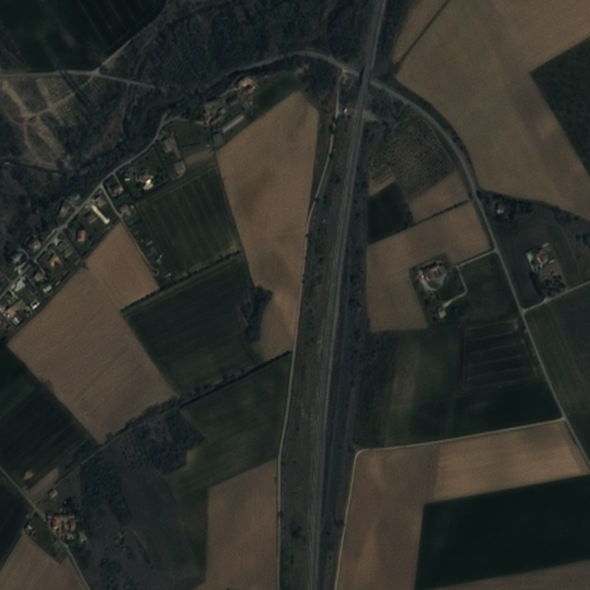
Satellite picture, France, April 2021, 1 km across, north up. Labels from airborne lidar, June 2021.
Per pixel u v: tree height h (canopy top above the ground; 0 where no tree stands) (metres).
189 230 0
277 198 0
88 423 0
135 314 0
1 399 0
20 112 0
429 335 0
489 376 0
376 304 0
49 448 0
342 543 0
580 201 0
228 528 0
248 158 0
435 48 0
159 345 0
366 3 13
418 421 0
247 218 0
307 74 14
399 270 0
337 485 0
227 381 9
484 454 0
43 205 8
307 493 0
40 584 0
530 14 0
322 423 0
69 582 0
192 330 0
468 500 0
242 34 21
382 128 0
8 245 6
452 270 11
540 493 0
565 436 0
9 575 0
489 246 0
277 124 0
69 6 0
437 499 0
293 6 22
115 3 0
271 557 0
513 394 0
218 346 0
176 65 30
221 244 0
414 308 0
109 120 19
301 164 0
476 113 0
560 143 0
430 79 0
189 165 0
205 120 7
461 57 0
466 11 0
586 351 0
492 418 0
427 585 0
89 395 0
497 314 0
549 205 0
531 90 0
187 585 0
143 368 0
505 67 0
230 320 0
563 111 9
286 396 0
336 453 0
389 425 0
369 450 0
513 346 0
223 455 0
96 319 0
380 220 0
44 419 0
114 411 0
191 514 0
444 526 0
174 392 0
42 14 0
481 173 0
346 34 12
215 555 0
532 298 0
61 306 0
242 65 22
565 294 0
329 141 0
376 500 0
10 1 0
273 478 0
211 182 0
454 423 0
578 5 0
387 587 0
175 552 0
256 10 34
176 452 10
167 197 0
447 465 0
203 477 0
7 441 0
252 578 0
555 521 0
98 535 0
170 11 32
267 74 6
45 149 0
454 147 0
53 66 0
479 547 0
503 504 0
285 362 0
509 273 0
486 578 0
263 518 0
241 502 0
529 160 0
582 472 0
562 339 0
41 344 0
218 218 0
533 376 0
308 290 0
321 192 0
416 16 0
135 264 0
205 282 0
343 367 0
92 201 0
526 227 0
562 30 0
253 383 0
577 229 0
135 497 0
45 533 0
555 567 0
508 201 6
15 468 0
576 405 0
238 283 0
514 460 0
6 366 0
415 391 0
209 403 0
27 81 0
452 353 0
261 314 9
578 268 0
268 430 0
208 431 0
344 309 0
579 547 0
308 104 0
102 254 0
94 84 17
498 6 0
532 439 0
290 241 0
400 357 0
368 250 0
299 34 14
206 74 35
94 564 0
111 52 0
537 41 0
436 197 0
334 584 0
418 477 0
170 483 0
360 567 0
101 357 0
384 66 0
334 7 0
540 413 0
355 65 7
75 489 0
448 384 0
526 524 0
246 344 0
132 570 0
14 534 0
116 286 0
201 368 0
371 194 0
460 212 0
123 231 0
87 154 27
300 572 0
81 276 0
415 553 0
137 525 0
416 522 0
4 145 22
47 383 0
